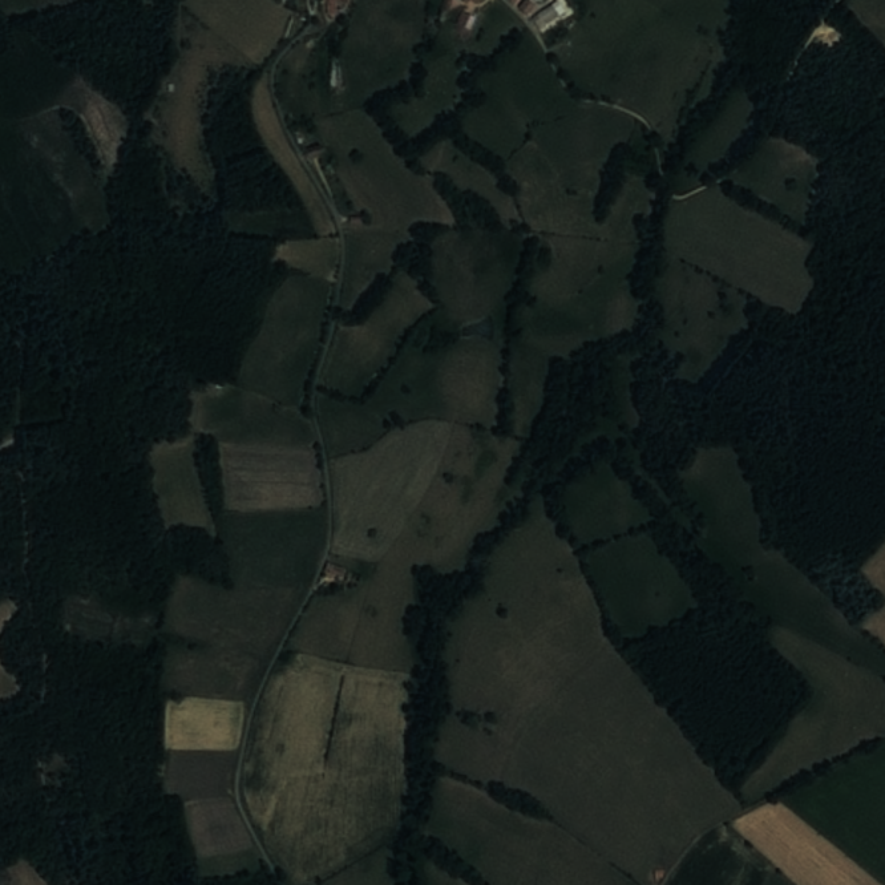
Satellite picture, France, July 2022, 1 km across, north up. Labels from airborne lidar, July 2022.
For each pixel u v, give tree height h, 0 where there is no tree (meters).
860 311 6
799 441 8
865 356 14
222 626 0
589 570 11
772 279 0
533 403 0
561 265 0
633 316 0
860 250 7
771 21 6
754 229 0
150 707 18
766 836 0
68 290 18
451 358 0
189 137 0
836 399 25
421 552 0
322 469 10
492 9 0
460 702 0
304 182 0
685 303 0
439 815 0
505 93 0
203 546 18
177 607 0
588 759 0
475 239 0
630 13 0
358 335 0
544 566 0
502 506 0
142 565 16
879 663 0
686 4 0
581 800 0
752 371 26
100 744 23
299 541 0
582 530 0
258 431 0
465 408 0
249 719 0
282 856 0
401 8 0
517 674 0
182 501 0
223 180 18
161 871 8
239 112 23
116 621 0
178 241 24
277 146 0
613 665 0
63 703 17
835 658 0
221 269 23
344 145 0
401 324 0
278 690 0
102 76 11
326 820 0
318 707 0
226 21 0
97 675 11
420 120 0
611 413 23
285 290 0
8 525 10
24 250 0
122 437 26
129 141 11
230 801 0
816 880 0
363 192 0
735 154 16
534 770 0
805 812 0
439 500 0
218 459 14
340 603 0
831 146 13
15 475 9
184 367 21
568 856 0
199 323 16
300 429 0
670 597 0
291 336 0
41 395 6
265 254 18
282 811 0
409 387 0
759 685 14
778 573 0
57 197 0
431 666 23
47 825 10
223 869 0
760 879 0
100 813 18
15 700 11
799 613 0
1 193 0
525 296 15
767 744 17
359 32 0
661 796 0
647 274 24
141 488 23
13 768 6
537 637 0
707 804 0
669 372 14
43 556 8
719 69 0
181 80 0
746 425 15
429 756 18
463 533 0
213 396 0
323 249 0
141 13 12
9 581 5
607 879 0
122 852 20
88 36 11
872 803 0
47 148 0
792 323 7
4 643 8
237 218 0
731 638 12
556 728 0
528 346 0
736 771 9
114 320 19
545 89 0
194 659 0
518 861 0
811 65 9
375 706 0
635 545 0
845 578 14
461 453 0
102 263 13
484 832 0
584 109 0
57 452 12
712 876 0
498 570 0
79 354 27
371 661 0
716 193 0
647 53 0
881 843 0
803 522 16
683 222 0
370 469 0
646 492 27
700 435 19
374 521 0
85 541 17
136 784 13
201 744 0
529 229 13
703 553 24
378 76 0
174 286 15
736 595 26
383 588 0
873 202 12
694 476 0
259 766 0
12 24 17
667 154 10
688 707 12
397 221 0
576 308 0
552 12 0
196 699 0
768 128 18
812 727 0
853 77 13
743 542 0
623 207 0
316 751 0
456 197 14
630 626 0
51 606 10
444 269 0
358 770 0
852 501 15
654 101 0
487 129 0
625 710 0
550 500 23
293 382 0
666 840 0
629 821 0
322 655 0
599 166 0
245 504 0
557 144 0
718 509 0
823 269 7
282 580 0
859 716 0
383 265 0
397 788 0
